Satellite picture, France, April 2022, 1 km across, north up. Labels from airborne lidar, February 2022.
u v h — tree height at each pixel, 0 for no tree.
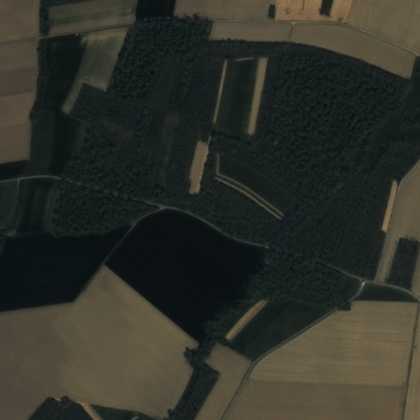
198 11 0
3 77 0
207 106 15
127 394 0
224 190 15
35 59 0
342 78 17
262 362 0
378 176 15
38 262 0
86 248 0
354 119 22
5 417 0
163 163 0
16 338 0
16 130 0
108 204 18
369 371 0
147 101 22
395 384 0
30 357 0
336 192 14
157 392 0
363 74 12
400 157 19
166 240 0
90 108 18
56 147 0
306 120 19
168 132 0
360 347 0
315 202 21
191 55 18
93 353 0
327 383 0
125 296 0
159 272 0
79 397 0
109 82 0
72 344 0
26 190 0
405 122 28
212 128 0
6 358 0
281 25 0
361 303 0
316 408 0
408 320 0
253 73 0
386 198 14
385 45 0
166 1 0
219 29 0
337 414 0
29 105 0
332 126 8
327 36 0
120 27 0
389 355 0
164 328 0
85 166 16
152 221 0
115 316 0
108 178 22
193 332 0
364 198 10
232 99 0
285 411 0
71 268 0
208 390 11
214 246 0
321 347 0
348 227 20
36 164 0
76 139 0
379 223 16
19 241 0
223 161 0
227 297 0
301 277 19
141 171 14
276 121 18
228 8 0
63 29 0
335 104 23
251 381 0
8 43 0
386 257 0
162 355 0
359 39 0
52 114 0
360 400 0
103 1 0
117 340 0
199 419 0
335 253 18
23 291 0
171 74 0
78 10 0
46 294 0
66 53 0
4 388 0
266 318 0
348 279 0
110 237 0
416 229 0
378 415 0
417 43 0
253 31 0
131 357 0
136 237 0
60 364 0
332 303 9
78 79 0
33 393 0
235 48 16
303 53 14
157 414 0
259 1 0
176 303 0
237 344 0
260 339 0
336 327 0
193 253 0
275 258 24
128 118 21
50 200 0
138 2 0
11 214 0
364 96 19
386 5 0
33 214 0
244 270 0
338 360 0
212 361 0
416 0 0
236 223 16
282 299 8
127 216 16
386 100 20
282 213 0
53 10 0
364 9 0
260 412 0
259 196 0
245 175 0
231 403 0
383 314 0
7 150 0
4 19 0
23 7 0
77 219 14
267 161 16
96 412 0
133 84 18
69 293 0
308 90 22
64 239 0
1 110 0
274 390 0
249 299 13
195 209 16
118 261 0
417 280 0
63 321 0
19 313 0
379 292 0
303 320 0
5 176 0
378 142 0
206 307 0
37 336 0
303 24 0
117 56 0
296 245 18
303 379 0
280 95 20
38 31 0
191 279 0
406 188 0
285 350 0
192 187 0
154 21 20
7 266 0
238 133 0
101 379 0
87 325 0
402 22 0
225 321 16
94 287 0
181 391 0
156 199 12
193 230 0
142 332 0
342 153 23
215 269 0
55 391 0
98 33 0
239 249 0
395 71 0
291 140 23
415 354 0
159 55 20
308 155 20
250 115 0
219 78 8
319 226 17
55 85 0
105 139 19
